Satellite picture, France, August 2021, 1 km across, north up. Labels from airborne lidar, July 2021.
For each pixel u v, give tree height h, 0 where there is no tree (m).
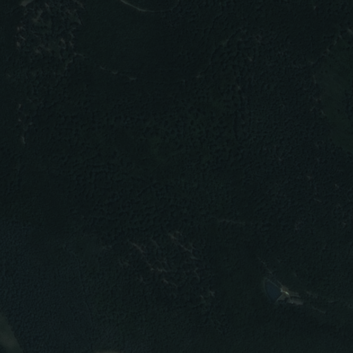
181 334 17
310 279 22
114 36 15
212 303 24
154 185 10
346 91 13
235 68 29
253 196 25
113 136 9
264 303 20
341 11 31
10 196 25
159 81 19
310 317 21
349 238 22
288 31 23
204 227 24
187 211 25
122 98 19
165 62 20
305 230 22
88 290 12
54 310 23
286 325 25
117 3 15
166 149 11
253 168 27
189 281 27
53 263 18
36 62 26
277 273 18
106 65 16
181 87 25
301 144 21
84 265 14
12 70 11
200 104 8
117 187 25
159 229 24
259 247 18
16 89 20
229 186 19
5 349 12
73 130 18
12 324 22
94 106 20
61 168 20
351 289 16
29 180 18
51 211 18
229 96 33
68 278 19
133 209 25
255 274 23
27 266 25
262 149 24
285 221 22
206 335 21
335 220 20
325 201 22
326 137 23
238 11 28
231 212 11
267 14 25
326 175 24
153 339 16
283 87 20
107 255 18
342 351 18
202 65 22
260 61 22
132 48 14
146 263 26
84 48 19
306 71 20
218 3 29
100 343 15
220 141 31
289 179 23
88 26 18
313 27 27
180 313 20
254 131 20
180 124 26
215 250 25
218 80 29
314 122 24
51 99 24
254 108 21
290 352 18
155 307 15
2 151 23
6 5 14
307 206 21
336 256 15
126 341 16
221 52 31
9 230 19
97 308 15
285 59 24
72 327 19
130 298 14
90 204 24
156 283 24
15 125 17
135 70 16
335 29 32
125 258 16
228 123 13
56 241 17
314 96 22
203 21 26
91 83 24
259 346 19
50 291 21
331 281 18
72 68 29
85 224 24
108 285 15
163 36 17
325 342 17
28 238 22
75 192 24
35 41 31
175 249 28
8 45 16
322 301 16
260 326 22
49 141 27
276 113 22
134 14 15
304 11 24
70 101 24
